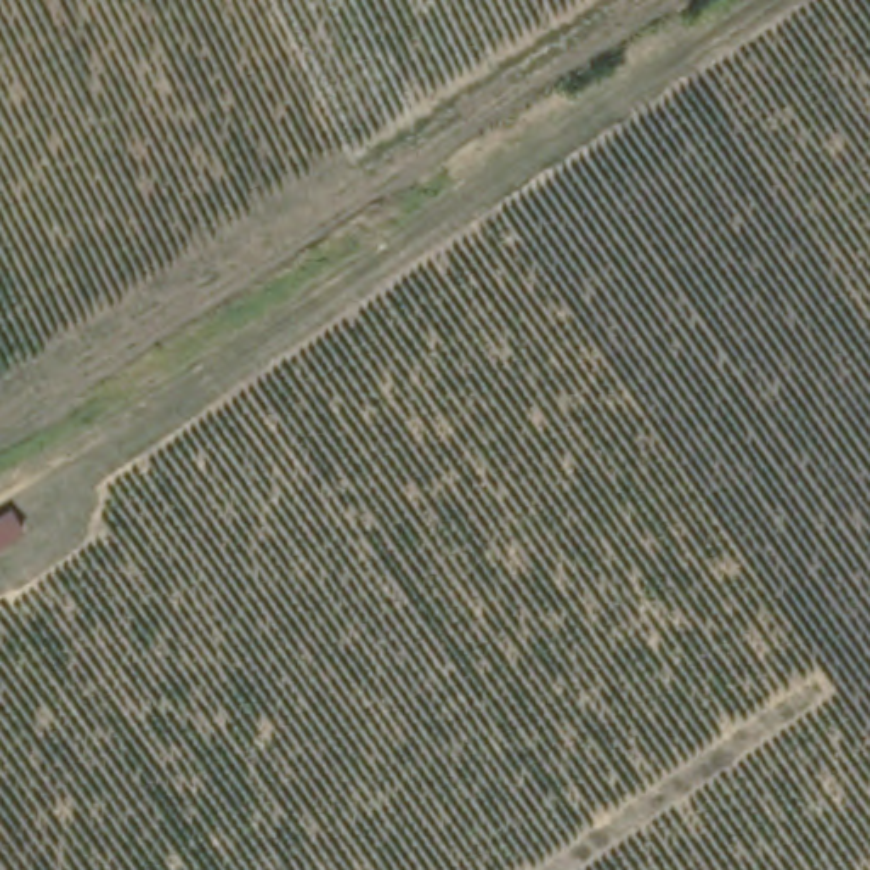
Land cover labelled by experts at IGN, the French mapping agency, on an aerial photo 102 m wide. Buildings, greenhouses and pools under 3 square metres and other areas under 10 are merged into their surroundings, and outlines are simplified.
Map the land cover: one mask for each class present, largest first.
<instances>
[{"label":"vineyard","instance_id":"1","mask_svg":"<svg viewBox=\"0 0 870 870\"><path fill-rule=\"evenodd\" d=\"M571 0H0V374L10 367L17 353H41L61 326L75 323L92 309L95 299L119 302L126 285H133L136 279L150 289H167V265L190 245L194 231L214 234L218 214H245L251 194L272 190L275 184H282L285 173H306L319 153L350 146L381 129L391 116L404 109V85H442L462 68L476 65L486 48L517 37L544 14L561 10ZM109 537L82 551V557H75L65 571L41 581L37 591L17 602H0V870H870V0H816L812 7L785 20L778 31H768L765 37L744 44L734 58L703 71L656 112L636 119L608 146L578 160L571 170L557 173L551 184H544L530 197L510 204L503 214L486 221L476 238H466L449 251V272H435L432 265L411 272L387 296L360 309L353 323L336 326L299 357L279 364L265 381L241 391L228 408L204 418L184 438L153 455L150 472L122 476L109 489L102 517Z\"/></svg>","mask_w":870,"mask_h":870},{"label":"herbaceous vegetation","instance_id":"2","mask_svg":"<svg viewBox=\"0 0 870 870\"><path fill-rule=\"evenodd\" d=\"M690 0H571L561 10L544 14L517 37L486 48L476 65L462 68L442 85H404V109L391 116L381 129L350 146L319 153L306 173H285L282 184H275L272 190L251 194L245 214H218L214 234L194 231L190 245L167 265V289H150L136 279L133 285H126L119 302L95 299L92 309L75 323L61 326L41 353H17L10 367L0 374V602H17L37 591L41 581L65 571L75 557H82V551L109 537L102 517L109 489L122 476L150 472L153 455L184 438L204 418L228 408L241 391L265 381L279 364L299 357L336 326L353 323L360 309L387 296L411 272L432 265L435 272H449V251L466 238H476L486 221L503 214L510 204L530 197L544 184H551L557 173L571 170L578 160L608 146L636 119L656 112L703 71L734 58L744 44L765 37L768 31H778L785 20L812 7L816 0H748L727 17L703 24L700 17L686 20L683 7ZM608 48L625 54L622 65L608 78L564 95V75L588 65L595 54Z\"/></svg>","mask_w":870,"mask_h":870},{"label":"brushwood","instance_id":"3","mask_svg":"<svg viewBox=\"0 0 870 870\"><path fill-rule=\"evenodd\" d=\"M748 0H690L683 7L686 20L700 17L703 24L727 17ZM625 54L608 48L595 54L588 65L564 75V95L608 78L622 65Z\"/></svg>","mask_w":870,"mask_h":870}]
</instances>
